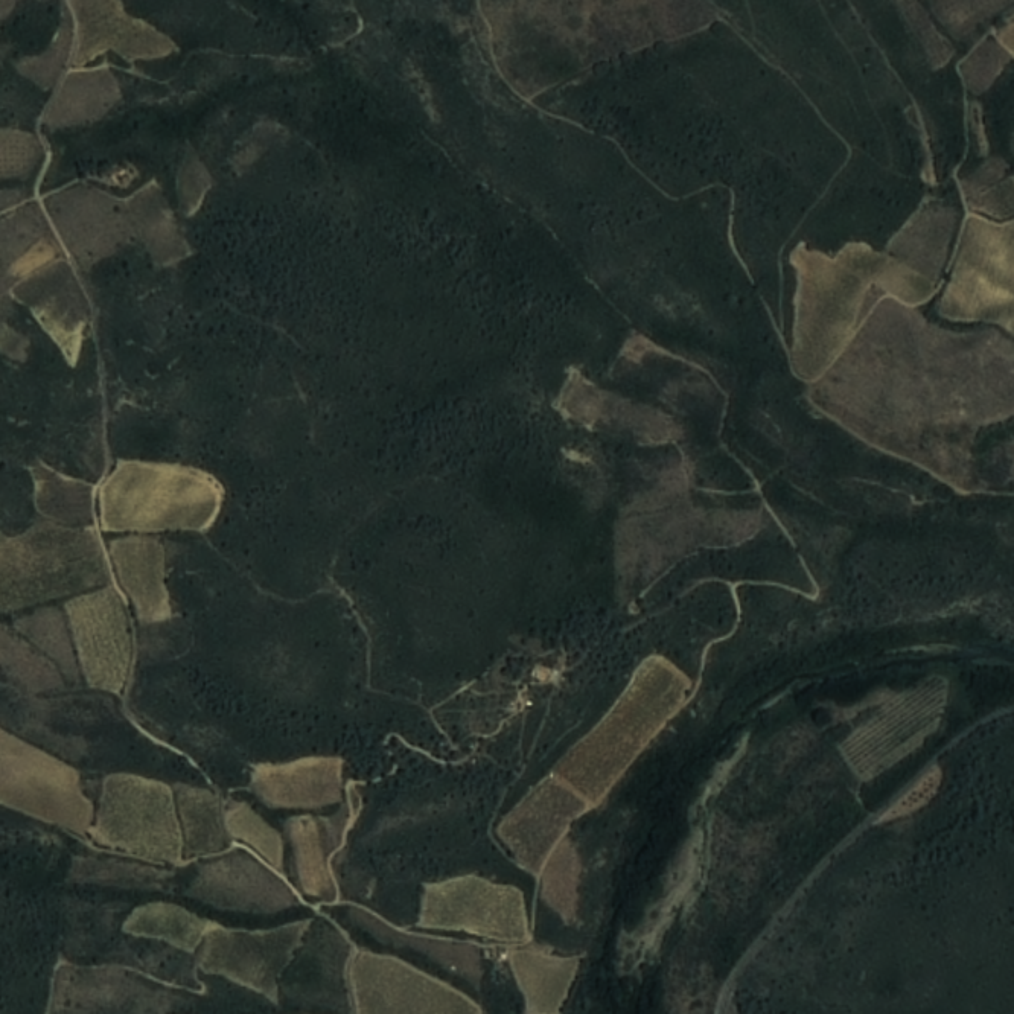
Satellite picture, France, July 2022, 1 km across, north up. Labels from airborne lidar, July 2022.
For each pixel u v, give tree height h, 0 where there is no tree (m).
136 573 0
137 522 0
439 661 0
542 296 9
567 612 7
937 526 8
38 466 0
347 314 7
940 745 6
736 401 7
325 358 8
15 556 0
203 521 0
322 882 0
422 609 0
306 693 0
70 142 0
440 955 0
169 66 0
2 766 0
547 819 0
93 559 0
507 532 0
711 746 10
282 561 0
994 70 0
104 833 0
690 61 0
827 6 0
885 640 15
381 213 10
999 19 8
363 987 0
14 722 0
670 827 9
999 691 11
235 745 0
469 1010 0
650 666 0
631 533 0
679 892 0
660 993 11
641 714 0
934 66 0
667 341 8
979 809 11
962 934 0
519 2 0
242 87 7
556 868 0
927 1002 0
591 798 0
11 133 0
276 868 0
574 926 0
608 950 14
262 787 0
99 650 0
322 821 0
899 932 0
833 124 0
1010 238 0
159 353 0
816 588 0
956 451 0
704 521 0
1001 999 0
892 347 0
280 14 6
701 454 0
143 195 0
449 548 8
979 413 0
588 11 0
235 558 0
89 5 0
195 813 0
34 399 0
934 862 7
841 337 0
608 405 0
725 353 9
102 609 0
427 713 0
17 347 0
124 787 0
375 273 6
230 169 0
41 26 0
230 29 0
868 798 7
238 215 8
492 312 9
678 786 17
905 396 0
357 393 8
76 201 0
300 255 8
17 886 7
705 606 6
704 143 11
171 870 9
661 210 8
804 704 17
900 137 8
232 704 10
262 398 0
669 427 0
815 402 0
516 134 0
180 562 0
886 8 0
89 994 0
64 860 7
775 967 0
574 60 0
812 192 0
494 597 0
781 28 0
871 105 0
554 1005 0
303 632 0
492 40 0
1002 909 0
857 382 0
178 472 0
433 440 7
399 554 0
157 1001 0
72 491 0
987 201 0
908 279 0
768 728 13
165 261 0
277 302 7
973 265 0
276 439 0
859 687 12
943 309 0
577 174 0
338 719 9
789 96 0
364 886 0
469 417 6
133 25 0
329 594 0
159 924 0
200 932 0
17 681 0
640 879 16
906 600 5
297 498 0
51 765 0
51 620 0
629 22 0
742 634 7
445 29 6
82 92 0
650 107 0
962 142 10
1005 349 0
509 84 0
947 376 0
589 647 13
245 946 0
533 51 0
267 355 6
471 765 6
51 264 0
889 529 6
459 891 0
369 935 7
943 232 0
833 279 0
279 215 7
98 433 0
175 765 8
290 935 0
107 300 0
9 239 0
